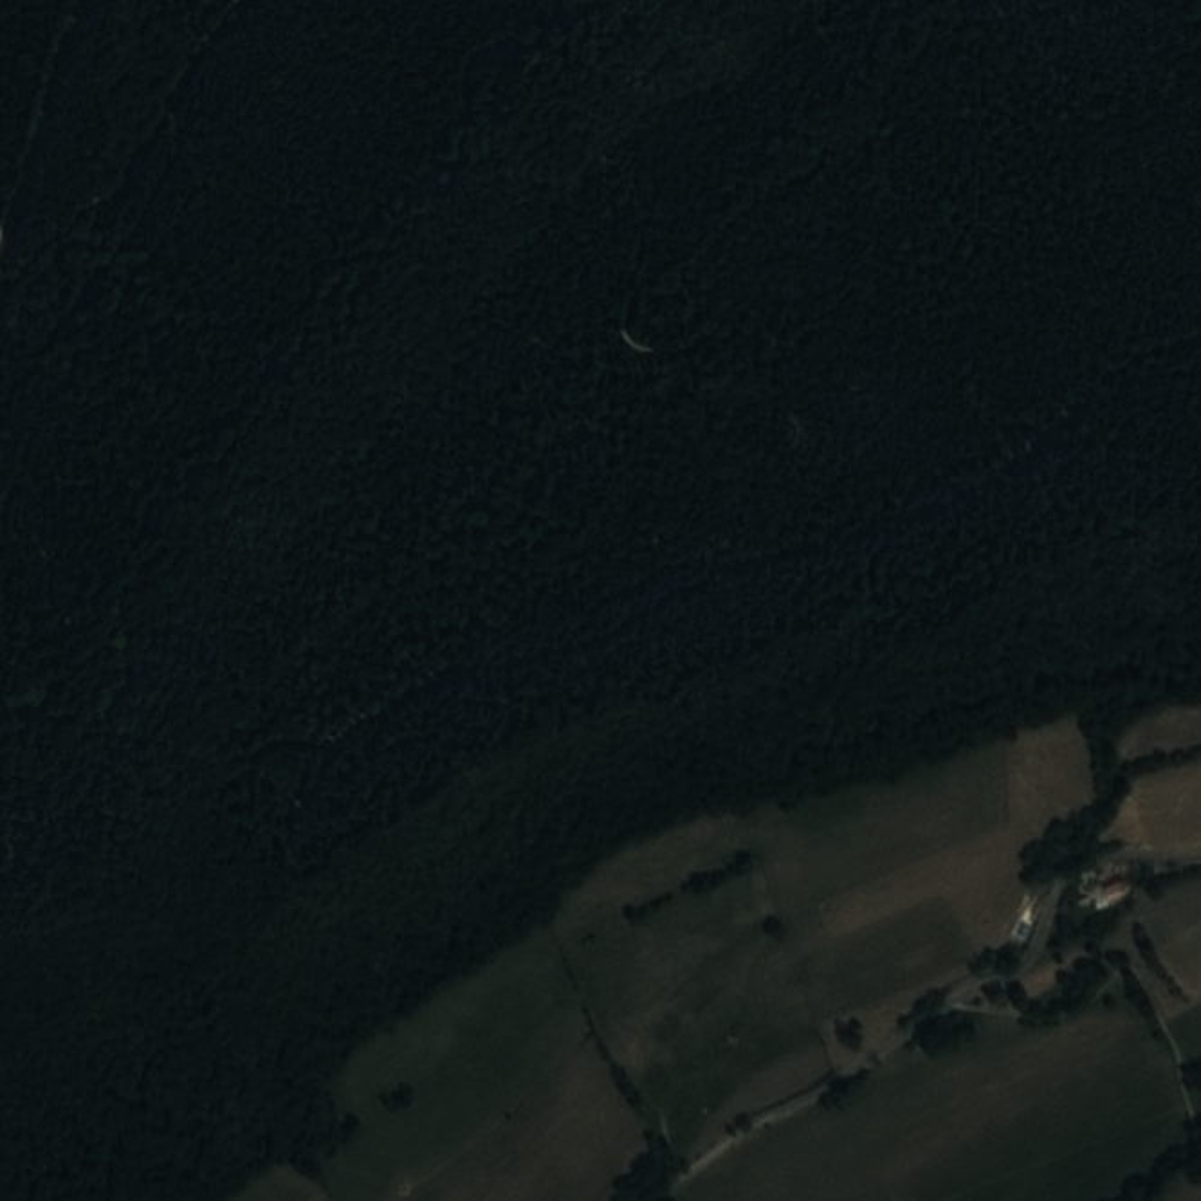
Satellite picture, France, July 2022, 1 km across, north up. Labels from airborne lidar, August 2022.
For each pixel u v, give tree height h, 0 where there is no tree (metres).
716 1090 0
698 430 15
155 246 19
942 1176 0
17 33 17
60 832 35
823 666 17
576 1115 0
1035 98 13
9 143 14
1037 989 0
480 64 34
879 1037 0
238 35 23
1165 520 20
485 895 23
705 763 25
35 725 33
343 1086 0
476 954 25
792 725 27
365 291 27
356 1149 0
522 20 34
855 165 8
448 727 22
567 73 29
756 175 22
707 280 15
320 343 24
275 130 18
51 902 22
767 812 0
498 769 10
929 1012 15
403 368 21
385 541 21
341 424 23
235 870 22
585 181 18
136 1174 24
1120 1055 0
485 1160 0
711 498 20
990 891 0
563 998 0
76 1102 21
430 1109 0
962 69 17
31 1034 18
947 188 18
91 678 38
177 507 36
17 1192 19
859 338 20
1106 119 13
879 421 25
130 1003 22
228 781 23
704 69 17
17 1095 21
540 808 16
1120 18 32
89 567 20
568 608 27
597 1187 0
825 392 17
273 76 20
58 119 23
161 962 23
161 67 18
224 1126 20
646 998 0
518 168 23
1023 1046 0
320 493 19
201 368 20
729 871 8
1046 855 17
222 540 18
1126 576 16
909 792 0
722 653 24
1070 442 34
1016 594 18
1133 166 20
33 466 19
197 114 22
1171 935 0
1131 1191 15
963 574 16
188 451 26
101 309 24
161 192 21
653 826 22
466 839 13
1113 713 22
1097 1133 0
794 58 24
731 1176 0
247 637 28
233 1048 21
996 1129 0
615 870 0
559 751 11
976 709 23
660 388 13
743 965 0
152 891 19
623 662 31
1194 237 20
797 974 0
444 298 22
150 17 36
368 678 8
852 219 20
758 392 15
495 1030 0
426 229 26
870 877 0
